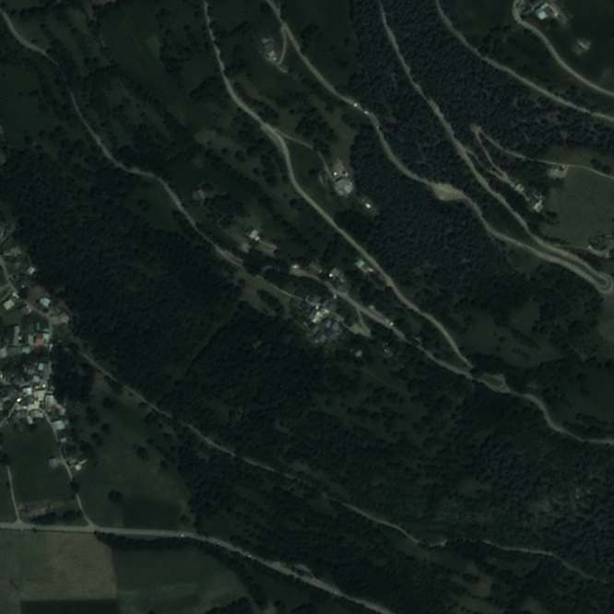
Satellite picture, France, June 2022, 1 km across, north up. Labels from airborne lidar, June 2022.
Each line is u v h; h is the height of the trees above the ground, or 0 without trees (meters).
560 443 14
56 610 0
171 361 12
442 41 16
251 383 15
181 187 0
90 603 0
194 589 0
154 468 0
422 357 18
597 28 0
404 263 22
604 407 0
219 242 18
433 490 16
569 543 9
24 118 0
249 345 19
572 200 0
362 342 16
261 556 25
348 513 15
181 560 0
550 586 17
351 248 15
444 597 15
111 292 23
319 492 12
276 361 20
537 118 27
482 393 21
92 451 23
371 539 12
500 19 0
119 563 0
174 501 0
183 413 25
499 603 15
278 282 15
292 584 19
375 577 16
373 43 24
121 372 12
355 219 15
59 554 0
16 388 7
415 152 22
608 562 20
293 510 19
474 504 8
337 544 19
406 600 16
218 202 14
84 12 13
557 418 0
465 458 15
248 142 20
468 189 16
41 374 0
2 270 13
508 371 15
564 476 9
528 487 26
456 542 11
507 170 18
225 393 14
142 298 19
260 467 9
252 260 21
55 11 18
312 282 13
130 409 0
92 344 13
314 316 0
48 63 14
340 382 12
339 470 21
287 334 19
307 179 0
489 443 18
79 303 22
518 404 20
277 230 0
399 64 13
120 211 17
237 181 20
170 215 0
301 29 0
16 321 0
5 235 6
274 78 0
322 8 0
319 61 0
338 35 0
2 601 0
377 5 13
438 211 19
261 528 17
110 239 15
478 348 0
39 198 24
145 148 16
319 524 15
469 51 8
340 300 8
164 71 0
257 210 0
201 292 19
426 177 18
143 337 17
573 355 11
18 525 0
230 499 24
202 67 0
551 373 19
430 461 11
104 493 0
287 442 19
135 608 0
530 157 19
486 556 18
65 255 22
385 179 18
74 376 20
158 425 16
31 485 0
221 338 20
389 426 14
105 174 21
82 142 13
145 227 13
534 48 0
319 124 12
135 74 0
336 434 19
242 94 7
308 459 19
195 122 0
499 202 10
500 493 8
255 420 32
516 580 15
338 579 20
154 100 11
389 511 13
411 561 18
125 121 14
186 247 21
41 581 0
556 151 0
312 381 22
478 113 24
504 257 14
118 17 0
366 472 15
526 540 18
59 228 23
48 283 18
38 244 23
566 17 0
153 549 21
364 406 15
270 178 16
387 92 21
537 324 13
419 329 0
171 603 0
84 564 0
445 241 21
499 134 18
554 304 14
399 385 0
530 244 0
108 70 15
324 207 0
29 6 0
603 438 12
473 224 22
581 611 6
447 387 25
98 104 17
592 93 0
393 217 20
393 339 12
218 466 14
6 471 0
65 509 0
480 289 18
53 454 0
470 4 0
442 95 18
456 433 7
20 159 16
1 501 0
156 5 10
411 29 18
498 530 10
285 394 27
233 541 14
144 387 16
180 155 12
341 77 0
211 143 7
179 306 22
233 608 19
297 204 18
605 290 0
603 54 0
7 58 14
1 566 0
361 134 10
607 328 0
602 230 0
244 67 16
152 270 10
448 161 15
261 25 0
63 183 15
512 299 28
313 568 24
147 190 17
